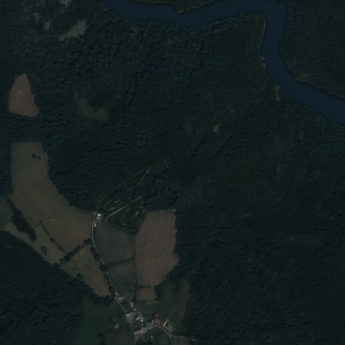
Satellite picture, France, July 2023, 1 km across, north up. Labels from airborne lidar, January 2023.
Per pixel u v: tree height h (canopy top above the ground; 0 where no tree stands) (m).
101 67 13
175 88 27
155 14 0
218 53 14
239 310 26
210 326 29
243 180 21
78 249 12
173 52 12
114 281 0
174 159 17
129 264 0
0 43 19
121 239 0
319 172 23
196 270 27
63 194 16
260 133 17
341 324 18
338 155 17
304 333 29
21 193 0
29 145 0
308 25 11
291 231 28
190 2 20
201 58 14
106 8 26
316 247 11
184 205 22
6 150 20
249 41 13
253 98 9
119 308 0
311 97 0
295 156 22
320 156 13
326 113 0
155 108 13
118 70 20
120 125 29
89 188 24
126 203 9
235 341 17
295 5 12
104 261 0
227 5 0
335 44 21
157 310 0
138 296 0
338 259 25
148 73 11
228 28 12
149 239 0
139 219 0
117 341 0
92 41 30
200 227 28
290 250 18
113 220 0
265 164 22
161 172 0
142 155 19
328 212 17
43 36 17
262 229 24
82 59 25
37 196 0
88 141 21
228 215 27
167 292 0
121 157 27
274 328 12
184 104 18
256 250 23
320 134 10
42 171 0
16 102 0
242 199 21
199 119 15
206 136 12
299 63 13
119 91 16
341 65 20
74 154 24
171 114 23
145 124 27
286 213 24
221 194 24
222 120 16
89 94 9
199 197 31
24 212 0
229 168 15
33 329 26
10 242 9
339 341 18
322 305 22
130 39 14
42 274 12
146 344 10
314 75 16
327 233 17
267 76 15
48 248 0
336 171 28
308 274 20
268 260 20
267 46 0
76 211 0
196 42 17
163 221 0
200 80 21
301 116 21
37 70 6
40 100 8
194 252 20
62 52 16
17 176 0
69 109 30
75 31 0
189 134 6
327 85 20
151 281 0
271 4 0
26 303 11
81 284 15
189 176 20
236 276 23
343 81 12
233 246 26
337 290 29
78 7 20
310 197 19
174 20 0
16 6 14
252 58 14
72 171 6
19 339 17
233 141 16
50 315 27
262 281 20
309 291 14
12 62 13
